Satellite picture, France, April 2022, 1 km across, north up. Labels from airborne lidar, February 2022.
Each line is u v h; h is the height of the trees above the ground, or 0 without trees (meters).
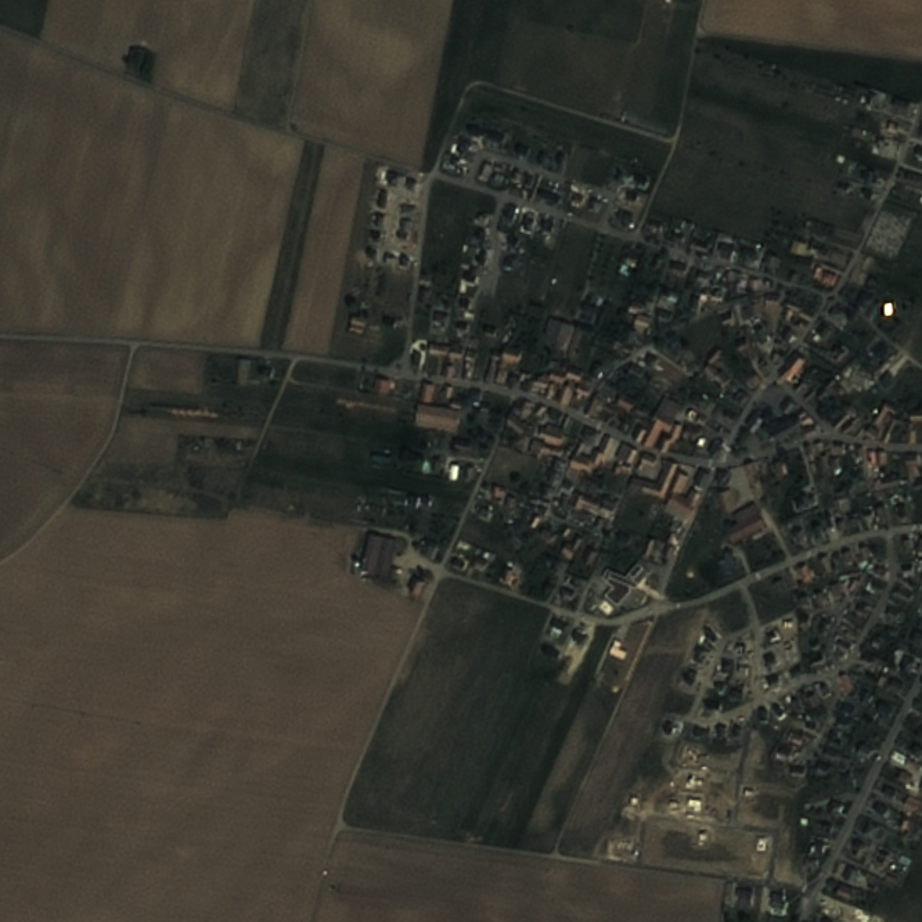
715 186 0
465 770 0
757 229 0
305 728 0
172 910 0
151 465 0
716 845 0
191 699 0
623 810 0
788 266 0
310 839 0
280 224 0
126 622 0
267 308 0
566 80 0
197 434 0
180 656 0
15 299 0
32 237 0
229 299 0
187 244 0
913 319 0
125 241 0
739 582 0
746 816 0
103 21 0
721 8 0
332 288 0
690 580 0
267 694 0
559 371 0
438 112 0
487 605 0
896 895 0
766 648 0
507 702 0
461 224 0
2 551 0
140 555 0
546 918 0
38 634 0
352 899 0
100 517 0
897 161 0
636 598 0
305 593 0
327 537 0
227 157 0
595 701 0
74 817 0
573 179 0
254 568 0
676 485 0
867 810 0
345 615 0
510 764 0
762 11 0
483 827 0
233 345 0
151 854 0
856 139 0
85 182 0
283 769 0
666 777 0
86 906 0
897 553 0
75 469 0
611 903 0
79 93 0
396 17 0
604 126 0
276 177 0
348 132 0
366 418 0
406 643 0
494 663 0
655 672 0
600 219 0
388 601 0
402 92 0
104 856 0
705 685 0
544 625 0
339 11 0
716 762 0
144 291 0
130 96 0
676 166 0
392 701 0
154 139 0
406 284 0
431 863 0
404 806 0
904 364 0
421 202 0
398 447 0
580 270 0
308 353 0
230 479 0
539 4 0
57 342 0
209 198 0
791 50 0
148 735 0
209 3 0
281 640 0
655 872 0
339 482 0
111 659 0
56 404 0
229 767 0
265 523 0
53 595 0
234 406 0
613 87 0
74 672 0
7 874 0
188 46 0
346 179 0
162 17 0
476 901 0
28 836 0
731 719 0
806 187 0
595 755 0
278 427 0
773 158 0
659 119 0
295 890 0
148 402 0
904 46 0
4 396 0
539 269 0
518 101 0
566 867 0
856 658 0
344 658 0
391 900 0
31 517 0
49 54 0
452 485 0
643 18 0
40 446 0
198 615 0
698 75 0
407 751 0
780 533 0
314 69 0
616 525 7
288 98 0
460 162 0
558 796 0
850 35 0
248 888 0
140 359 0
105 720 0
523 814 0
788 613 0
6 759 0
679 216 0
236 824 0
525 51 0
